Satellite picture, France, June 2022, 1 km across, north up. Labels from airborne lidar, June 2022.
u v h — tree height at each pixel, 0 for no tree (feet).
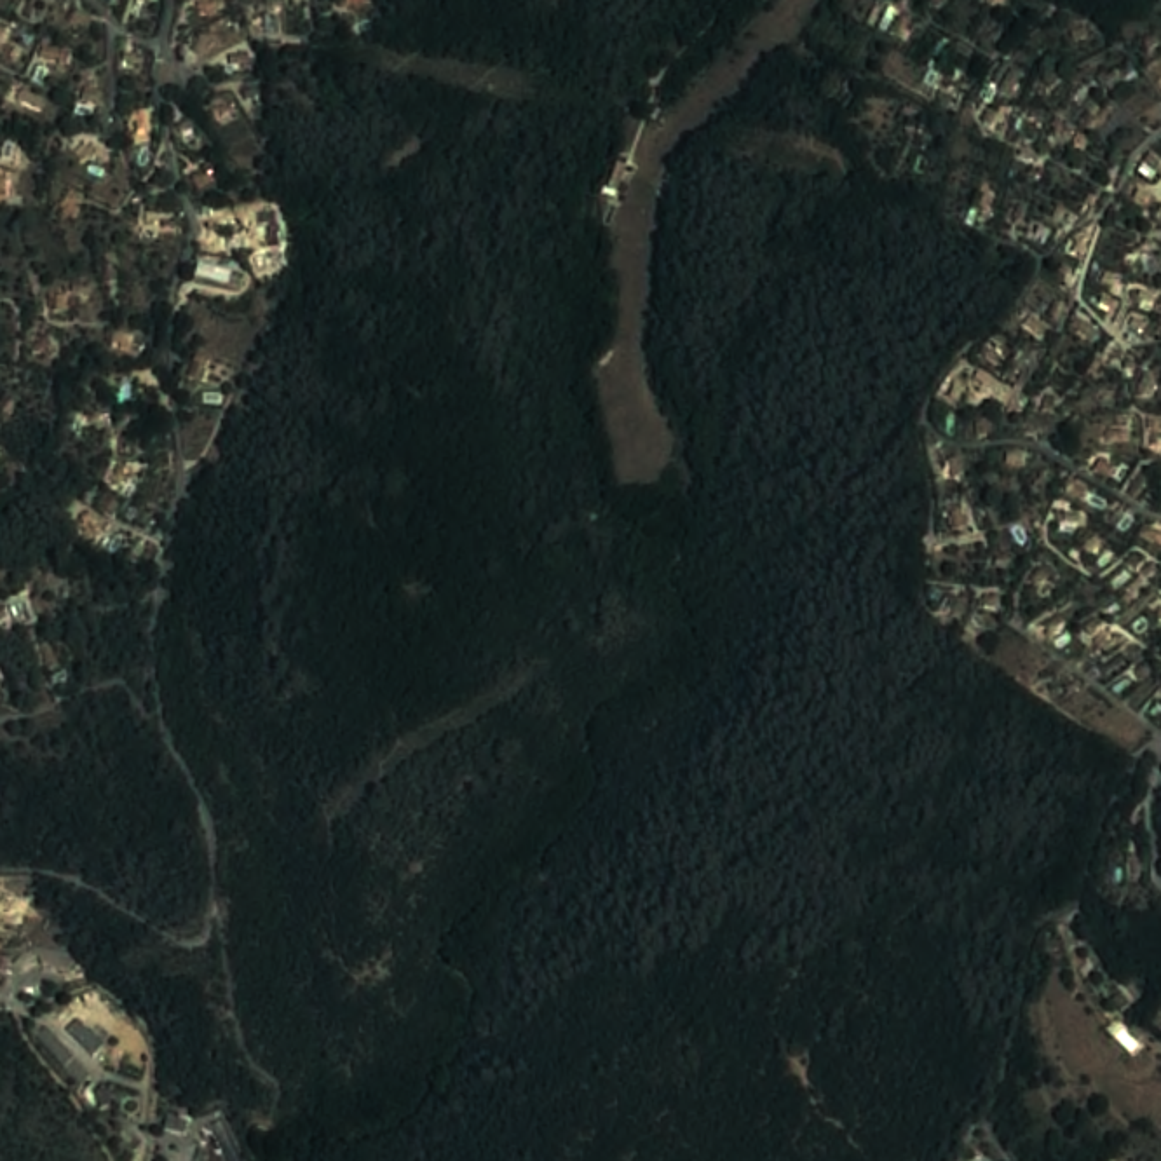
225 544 37
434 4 56
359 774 29
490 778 77
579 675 31
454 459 37
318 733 27
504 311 77
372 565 41
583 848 24
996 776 40
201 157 20
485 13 40
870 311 86
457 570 33
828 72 36
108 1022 0
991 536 27
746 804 38
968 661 69
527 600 41
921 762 70
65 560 80
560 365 60
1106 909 32
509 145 33
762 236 90
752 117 55
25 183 0
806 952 52
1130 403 21
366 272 37
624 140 31
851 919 33
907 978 23
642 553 40
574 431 55
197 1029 23
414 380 41
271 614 73
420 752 27
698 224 71
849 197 69
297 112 64
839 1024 54
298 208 66
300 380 66
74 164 22
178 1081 26
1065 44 26
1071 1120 43
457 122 43
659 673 50
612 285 33
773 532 78
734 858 32
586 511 33
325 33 47
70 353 38
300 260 64
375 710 22
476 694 32
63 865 30
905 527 49
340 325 53
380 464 54
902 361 77
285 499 49
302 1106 25
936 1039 20
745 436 80
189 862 32
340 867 23
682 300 72
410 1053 42
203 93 24
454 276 48
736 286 84
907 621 72
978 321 63
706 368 70
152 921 41
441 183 74
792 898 63
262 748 29
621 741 37
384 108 56
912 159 20
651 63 47
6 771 27
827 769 69
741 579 43
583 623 21
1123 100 42
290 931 25
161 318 42
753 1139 21
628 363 0
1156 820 28
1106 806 33
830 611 88
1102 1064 0
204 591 26
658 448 0
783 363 82
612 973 25
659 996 19
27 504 55
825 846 62
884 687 42
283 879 35
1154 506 19
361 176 73
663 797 26
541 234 35
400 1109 39
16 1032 34
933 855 43
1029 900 53
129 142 31
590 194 26
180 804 37
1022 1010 35
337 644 28
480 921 55
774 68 72
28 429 27
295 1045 22
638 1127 18
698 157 65
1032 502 19
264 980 28
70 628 76
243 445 56
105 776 24
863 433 74
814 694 68
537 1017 19
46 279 40
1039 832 74
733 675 29
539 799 42
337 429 52
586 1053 21
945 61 53
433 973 23
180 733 29
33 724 51
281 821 18
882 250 58
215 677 21
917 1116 21
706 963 22
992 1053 31
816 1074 25
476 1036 30
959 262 84
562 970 56
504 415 47
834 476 73
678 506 39
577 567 37
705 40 22
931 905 39
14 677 67
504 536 36
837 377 77
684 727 22
